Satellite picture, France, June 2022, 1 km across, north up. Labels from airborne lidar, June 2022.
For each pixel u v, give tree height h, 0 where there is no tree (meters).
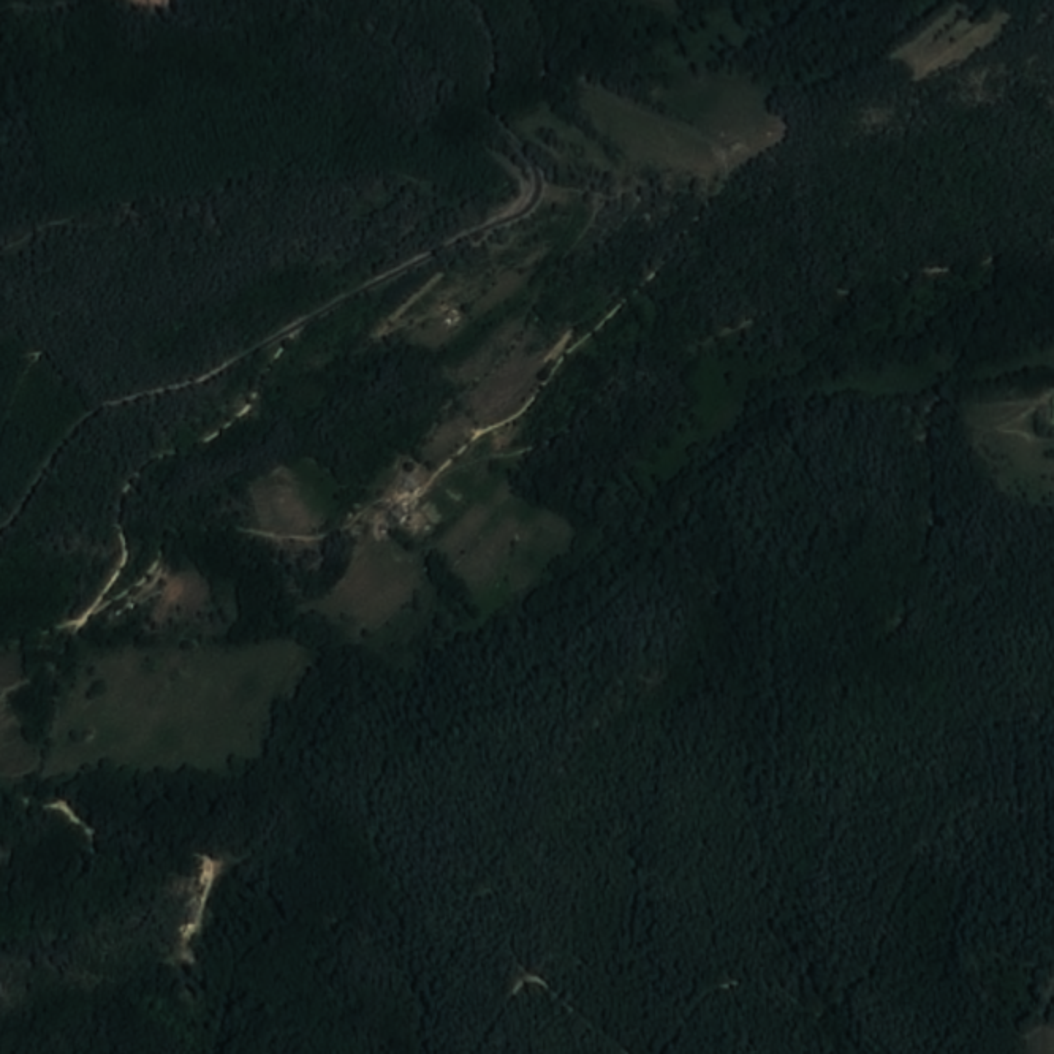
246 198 11
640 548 27
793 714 14
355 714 26
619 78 16
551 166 14
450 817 20
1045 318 19
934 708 16
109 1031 19
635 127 0
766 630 12
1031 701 21
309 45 19
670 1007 21
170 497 17
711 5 12
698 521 16
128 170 14
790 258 18
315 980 14
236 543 10
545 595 21
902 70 15
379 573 0
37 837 11
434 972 19
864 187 22
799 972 25
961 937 14
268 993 13
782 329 19
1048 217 9
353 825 19
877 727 13
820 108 14
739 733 20
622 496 13
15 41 8
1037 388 7
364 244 13
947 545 28
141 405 21
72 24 15
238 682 0
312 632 26
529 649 20
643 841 25
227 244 19
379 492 9
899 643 19
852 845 13
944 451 27
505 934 15
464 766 16
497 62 14
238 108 15
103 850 31
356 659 25
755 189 16
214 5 25
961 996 17
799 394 7
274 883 24
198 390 15
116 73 14
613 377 10
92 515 17
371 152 15
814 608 20
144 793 31
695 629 19
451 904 15
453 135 14
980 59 9
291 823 22
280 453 19
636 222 6
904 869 20
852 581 26
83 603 15
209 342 23
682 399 15
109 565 6
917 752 13
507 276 0
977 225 13
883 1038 19
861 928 19
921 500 27
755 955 20
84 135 16
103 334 19
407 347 7
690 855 17
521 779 14
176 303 19
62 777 6
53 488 25
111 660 0
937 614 19
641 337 8
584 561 12
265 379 11
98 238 16
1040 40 11
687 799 16
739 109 0
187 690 0
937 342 22
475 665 27
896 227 24
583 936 20
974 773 21
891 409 20
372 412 17
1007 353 15
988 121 15
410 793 18
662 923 18
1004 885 23
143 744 0
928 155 13
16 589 15
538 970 19
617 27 30
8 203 13
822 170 17
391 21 19
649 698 11
